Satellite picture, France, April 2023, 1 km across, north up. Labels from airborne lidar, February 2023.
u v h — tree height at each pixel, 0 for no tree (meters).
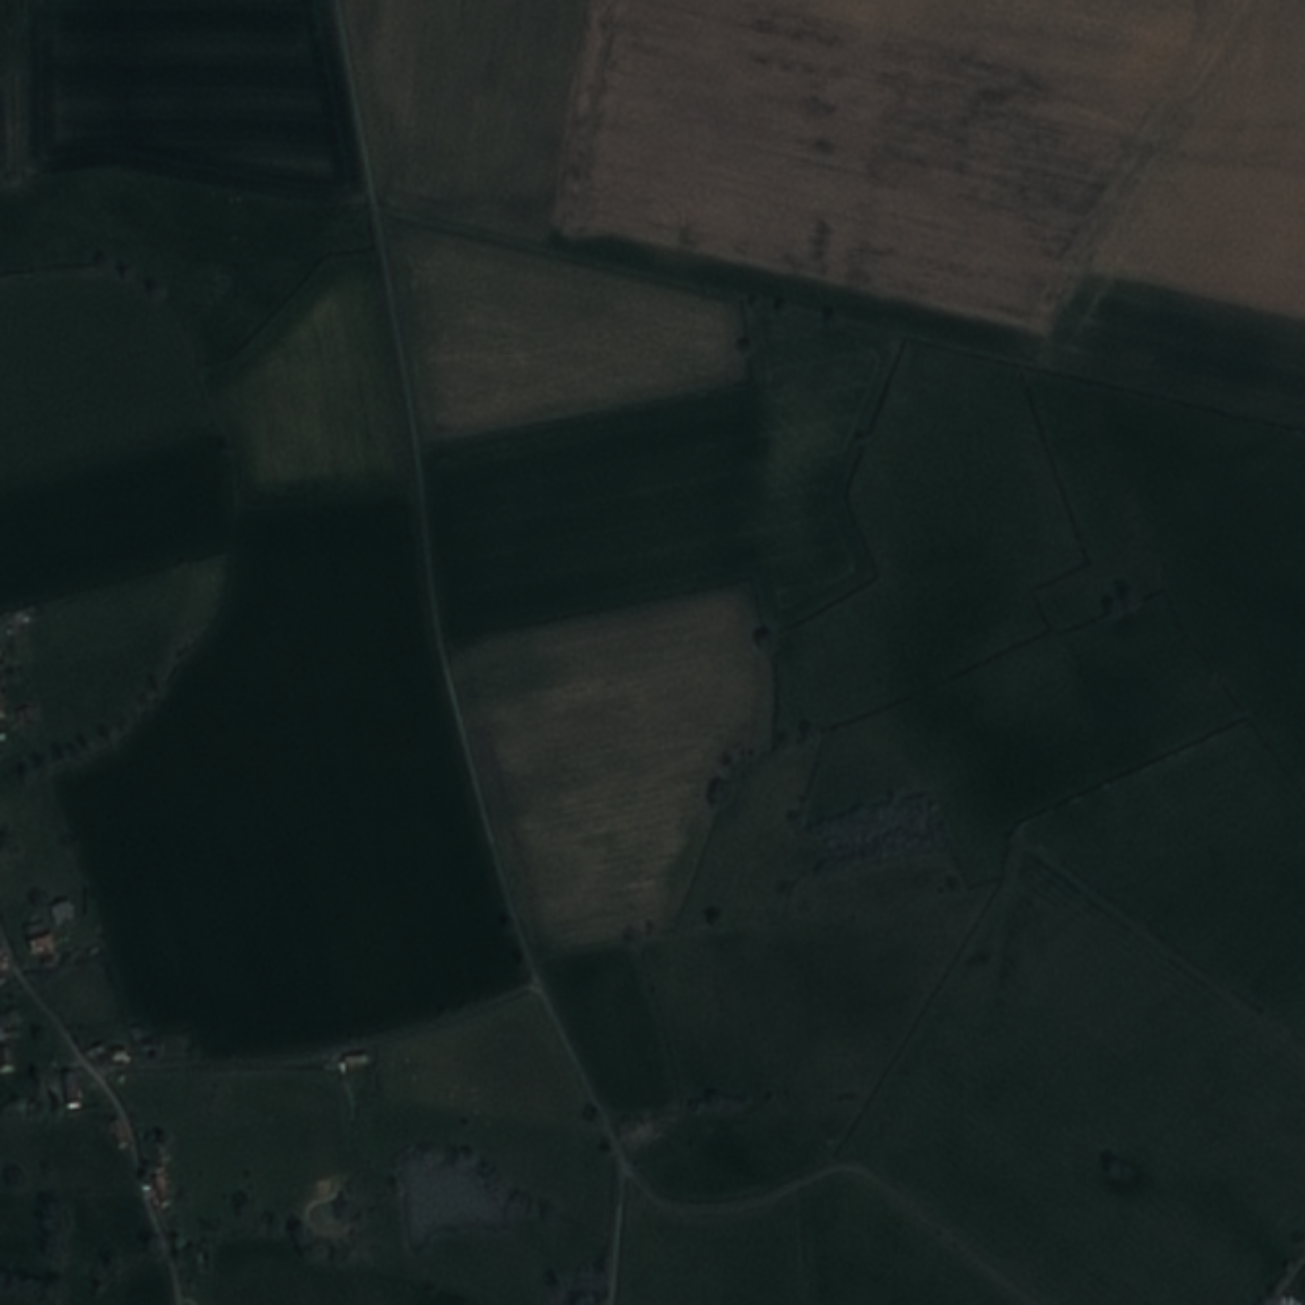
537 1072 0
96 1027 0
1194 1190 0
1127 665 0
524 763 0
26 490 0
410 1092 0
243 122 0
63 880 0
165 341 0
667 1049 0
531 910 0
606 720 0
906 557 0
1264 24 0
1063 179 0
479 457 0
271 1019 0
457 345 0
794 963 0
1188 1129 0
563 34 0
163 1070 0
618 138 0
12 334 0
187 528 0
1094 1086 0
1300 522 0
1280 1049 0
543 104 0
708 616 0
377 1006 0
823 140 0
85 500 0
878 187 0
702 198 0
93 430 0
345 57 0
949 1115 0
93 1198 0
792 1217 0
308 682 0
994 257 0
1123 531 0
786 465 0
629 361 0
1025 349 0
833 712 0
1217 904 0
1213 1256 0
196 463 0
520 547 0
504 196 0
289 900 0
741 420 0
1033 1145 0
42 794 0
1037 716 0
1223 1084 0
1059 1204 0
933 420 0
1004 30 0
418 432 0
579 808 0
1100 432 0
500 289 0
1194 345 0
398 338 0
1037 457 0
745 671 0
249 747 0
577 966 0
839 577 0
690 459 0
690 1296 0
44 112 0
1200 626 0
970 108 0
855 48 0
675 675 0
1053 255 0
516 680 0
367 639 0
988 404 0
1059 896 0
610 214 0
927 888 0
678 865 0
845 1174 0
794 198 0
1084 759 0
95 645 0
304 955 0
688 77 0
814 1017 0
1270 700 0
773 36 0
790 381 0
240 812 0
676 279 0
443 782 0
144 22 0
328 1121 0
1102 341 0
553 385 0
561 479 0
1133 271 0
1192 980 0
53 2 0
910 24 0
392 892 0
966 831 0
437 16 0
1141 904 0
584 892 0
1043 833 0
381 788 0
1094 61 0
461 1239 0
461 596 0
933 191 0
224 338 0
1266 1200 0
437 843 0
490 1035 0
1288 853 0
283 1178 0
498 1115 0
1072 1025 0
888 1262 0
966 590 0
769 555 0
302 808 0
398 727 0
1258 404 0
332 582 0
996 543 0
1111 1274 0
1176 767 0
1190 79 0
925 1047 0
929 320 0
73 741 0
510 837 0
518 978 0
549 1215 14
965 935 0
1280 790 0
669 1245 0
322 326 0
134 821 0
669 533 0
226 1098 0
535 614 0
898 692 0
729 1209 0
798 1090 0
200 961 0
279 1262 0
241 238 0
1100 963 0
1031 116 0
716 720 0
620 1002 0
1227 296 0
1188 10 0
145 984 0
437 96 0
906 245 0
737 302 0
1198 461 0
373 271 0
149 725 0
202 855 0
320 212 0
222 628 0
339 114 0
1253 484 0
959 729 0
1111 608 14
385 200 0
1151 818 0
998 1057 0
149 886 0
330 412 0
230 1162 0
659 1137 0
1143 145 0
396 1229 0
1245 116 0
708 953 0
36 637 0
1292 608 0
